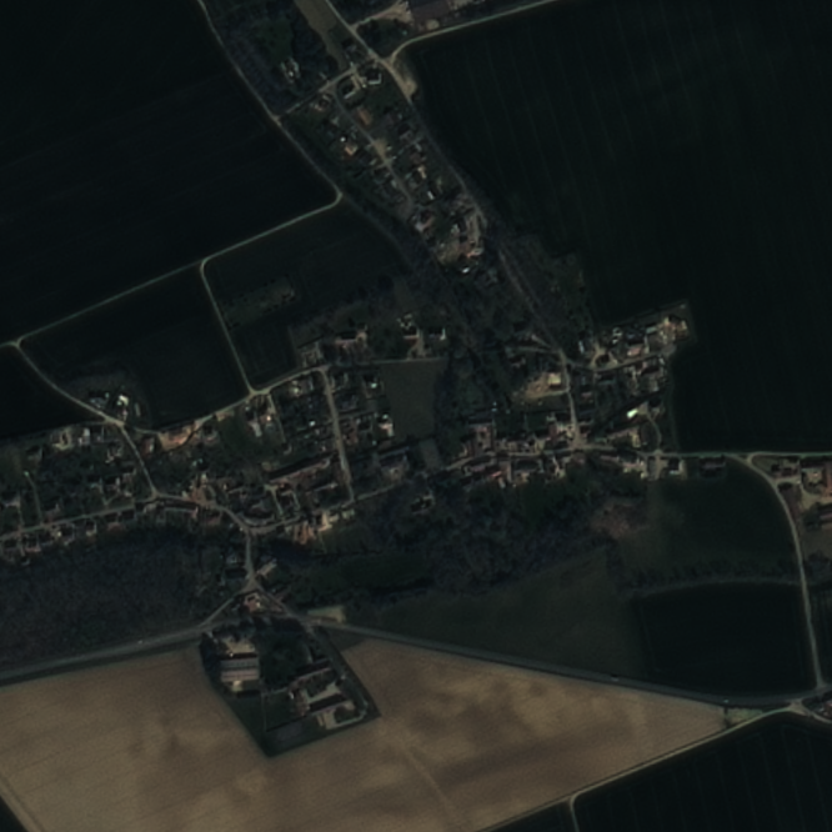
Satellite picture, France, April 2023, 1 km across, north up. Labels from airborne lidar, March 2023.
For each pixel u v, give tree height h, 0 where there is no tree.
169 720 0
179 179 0
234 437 0
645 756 0
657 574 0
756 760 0
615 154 0
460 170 12
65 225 0
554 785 0
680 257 0
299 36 17
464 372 16
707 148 0
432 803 0
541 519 0
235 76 0
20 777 0
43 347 0
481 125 0
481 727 0
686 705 0
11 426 0
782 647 0
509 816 0
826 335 0
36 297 0
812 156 0
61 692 0
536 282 11
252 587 0
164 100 0
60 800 0
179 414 0
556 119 0
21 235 0
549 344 6
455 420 13
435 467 0
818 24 0
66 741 0
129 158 0
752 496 0
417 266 16
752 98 0
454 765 0
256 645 9
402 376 0
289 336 0
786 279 0
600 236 0
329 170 19
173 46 0
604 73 0
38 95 0
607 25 0
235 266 0
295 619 0
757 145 0
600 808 0
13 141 0
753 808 0
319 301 0
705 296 0
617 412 10
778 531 0
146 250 0
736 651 0
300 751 0
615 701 0
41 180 0
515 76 0
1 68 0
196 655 0
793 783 0
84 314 0
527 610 0
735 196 0
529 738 0
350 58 6
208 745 0
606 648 0
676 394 0
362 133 0
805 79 0
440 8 0
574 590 0
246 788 0
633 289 0
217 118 0
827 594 0
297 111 6
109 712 0
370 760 0
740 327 0
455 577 28
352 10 15
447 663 0
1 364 0
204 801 0
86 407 0
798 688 0
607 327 0
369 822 0
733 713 0
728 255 0
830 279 0
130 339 0
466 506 19
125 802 0
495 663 0
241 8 0
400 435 0
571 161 0
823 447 0
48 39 0
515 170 0
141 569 30
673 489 0
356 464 17
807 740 0
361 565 0
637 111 0
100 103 0
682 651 0
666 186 0
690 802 0
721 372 0
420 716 0
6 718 0
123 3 0
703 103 0
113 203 0
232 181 0
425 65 0
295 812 0
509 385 0
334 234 0
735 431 0
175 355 0
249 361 0
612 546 19
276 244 0
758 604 0
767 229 0
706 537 0
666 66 0
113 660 0
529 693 0
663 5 0
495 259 14
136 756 0
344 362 8
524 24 0
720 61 0
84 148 0
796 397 0
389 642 0
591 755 0
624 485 0
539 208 0
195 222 0
